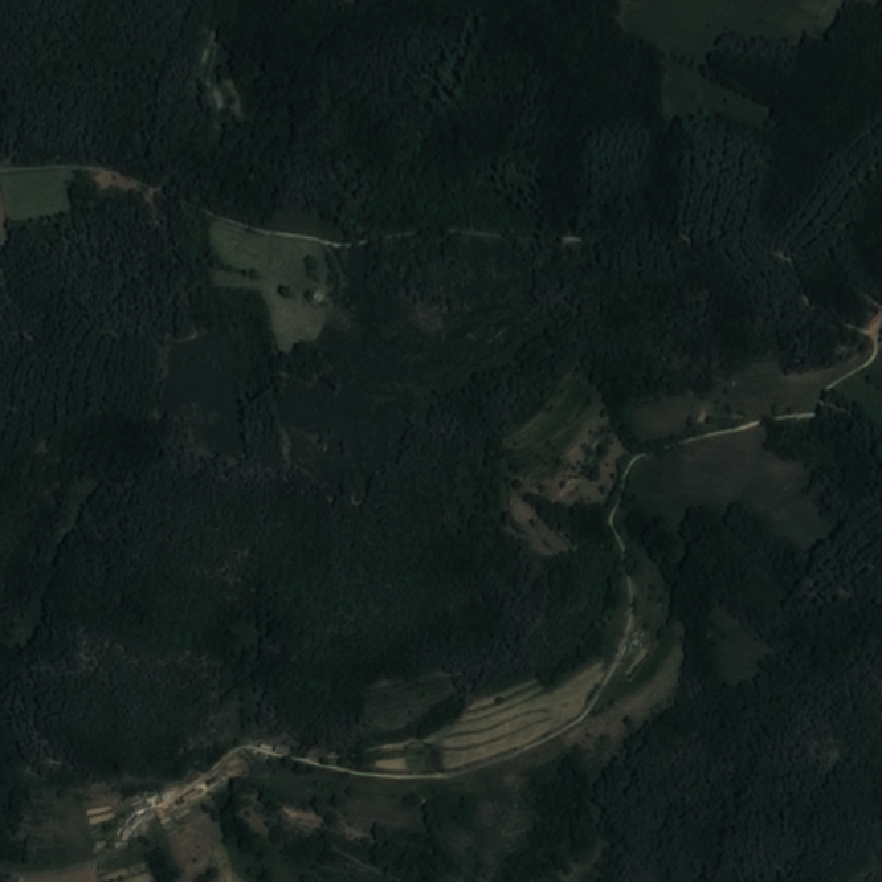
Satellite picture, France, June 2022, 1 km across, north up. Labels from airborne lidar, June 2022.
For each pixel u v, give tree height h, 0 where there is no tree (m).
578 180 22
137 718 12
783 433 6
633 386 11
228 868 0
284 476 9
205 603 15
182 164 13
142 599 19
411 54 26
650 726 16
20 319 20
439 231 8
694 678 13
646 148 32
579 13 27
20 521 18
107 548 15
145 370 26
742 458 0
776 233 19
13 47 13
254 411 28
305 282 0
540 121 17
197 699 11
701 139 30
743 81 22
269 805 14
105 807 0
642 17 0
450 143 19
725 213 32
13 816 7
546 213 19
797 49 9
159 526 11
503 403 14
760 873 8
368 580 13
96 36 12
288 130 8
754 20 0
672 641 0
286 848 11
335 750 7
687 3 0
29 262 19
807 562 7
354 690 20
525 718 0
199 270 15
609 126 29
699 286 13
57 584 18
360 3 18
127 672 13
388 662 19
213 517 17
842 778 26
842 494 16
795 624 10
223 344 0
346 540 13
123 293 19
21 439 24
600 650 17
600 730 0
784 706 19
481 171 20
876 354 0
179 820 0
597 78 28
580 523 10
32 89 19
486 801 0
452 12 27
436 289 9
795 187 19
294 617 15
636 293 13
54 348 26
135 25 11
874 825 10
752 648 0
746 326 13
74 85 6
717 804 18
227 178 14
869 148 23
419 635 14
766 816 24
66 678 13
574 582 16
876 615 22
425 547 17
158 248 13
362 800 0
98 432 16
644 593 0
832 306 13
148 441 12
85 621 20
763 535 8
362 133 13
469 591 10
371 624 10
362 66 15
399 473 19
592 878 9
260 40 17
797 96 20
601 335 15
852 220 26
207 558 17
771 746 21
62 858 0
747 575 10
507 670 16
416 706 0
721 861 15
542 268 9
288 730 12
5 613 17
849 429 13
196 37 26
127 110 17
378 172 12
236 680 12
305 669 15
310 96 13
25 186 0
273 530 16
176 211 11
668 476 0
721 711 20
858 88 22
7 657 18
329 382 18
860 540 25
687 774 15
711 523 21
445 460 19
